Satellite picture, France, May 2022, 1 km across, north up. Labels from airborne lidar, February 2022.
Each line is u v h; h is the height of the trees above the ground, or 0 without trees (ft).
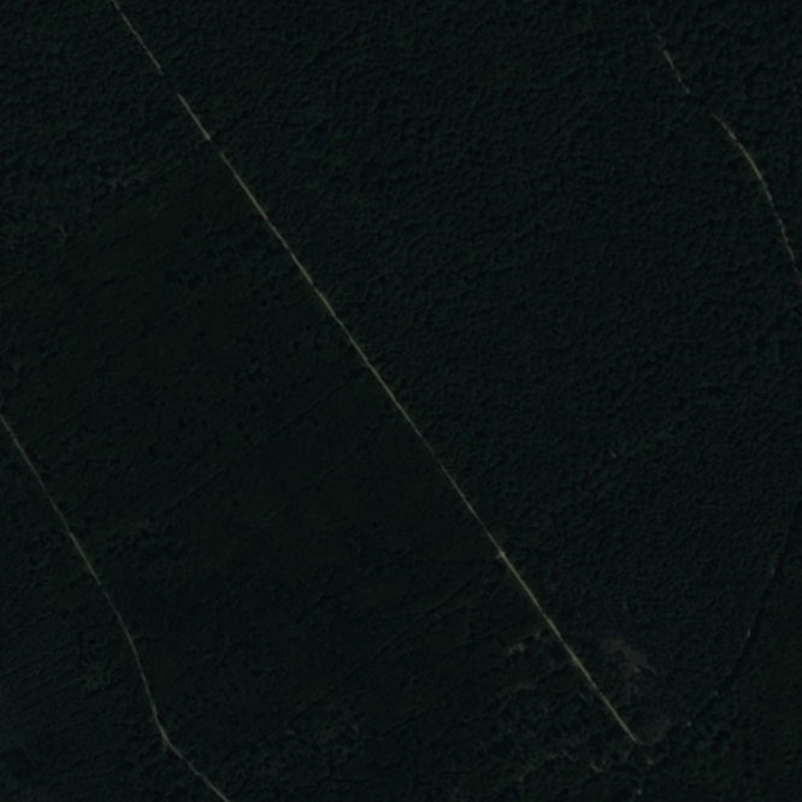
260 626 35
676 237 105
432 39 81
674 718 84
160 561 108
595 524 82
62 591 51
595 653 79
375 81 84
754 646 62
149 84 88
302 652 41
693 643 67
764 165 92
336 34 71
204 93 76
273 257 102
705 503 79
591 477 98
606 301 88
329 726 0
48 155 102
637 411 100
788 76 109
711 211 96
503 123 79
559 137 92
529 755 117
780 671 62
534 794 0
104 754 31
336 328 75
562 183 90
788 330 96
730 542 82
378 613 46
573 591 74
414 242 91
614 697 74
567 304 89
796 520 62
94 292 40
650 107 90
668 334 83
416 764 52
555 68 81
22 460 42
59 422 33
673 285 61
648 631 87
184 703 58
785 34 99
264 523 41
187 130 73
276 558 39
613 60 92
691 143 98
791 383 73
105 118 85
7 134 106
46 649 38
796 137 104
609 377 72
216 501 54
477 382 90
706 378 95
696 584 78
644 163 106
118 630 46
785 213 89
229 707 46
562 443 82
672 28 89
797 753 78
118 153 77
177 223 32
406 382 65
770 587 71
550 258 87
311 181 85
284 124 68
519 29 79
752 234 101
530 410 92
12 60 85
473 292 86
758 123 99
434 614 32
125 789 39
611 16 94
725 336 95
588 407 95
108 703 24
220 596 56
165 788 66
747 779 104
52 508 47
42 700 40
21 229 122
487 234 86
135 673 52
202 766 68
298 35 85
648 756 57
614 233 94
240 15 75
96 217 48
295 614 55
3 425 46
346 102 85
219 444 94
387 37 78
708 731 107
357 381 56
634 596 75
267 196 71
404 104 88
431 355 76
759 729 64
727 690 101
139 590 60
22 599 57
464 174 74
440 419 67
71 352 57
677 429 69
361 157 77
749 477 84
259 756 99
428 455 48
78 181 106
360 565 46
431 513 58
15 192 127
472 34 85
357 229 87
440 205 89
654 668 84
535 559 71
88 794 36
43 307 34
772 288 107
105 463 37
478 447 68
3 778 70
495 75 80
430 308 85
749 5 102
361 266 89
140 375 35
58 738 40
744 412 86
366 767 47
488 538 44
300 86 80
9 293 35
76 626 62
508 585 0
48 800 34
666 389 102
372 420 53
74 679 30
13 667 35
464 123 70
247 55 73
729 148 108
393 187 88
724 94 105
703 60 104
